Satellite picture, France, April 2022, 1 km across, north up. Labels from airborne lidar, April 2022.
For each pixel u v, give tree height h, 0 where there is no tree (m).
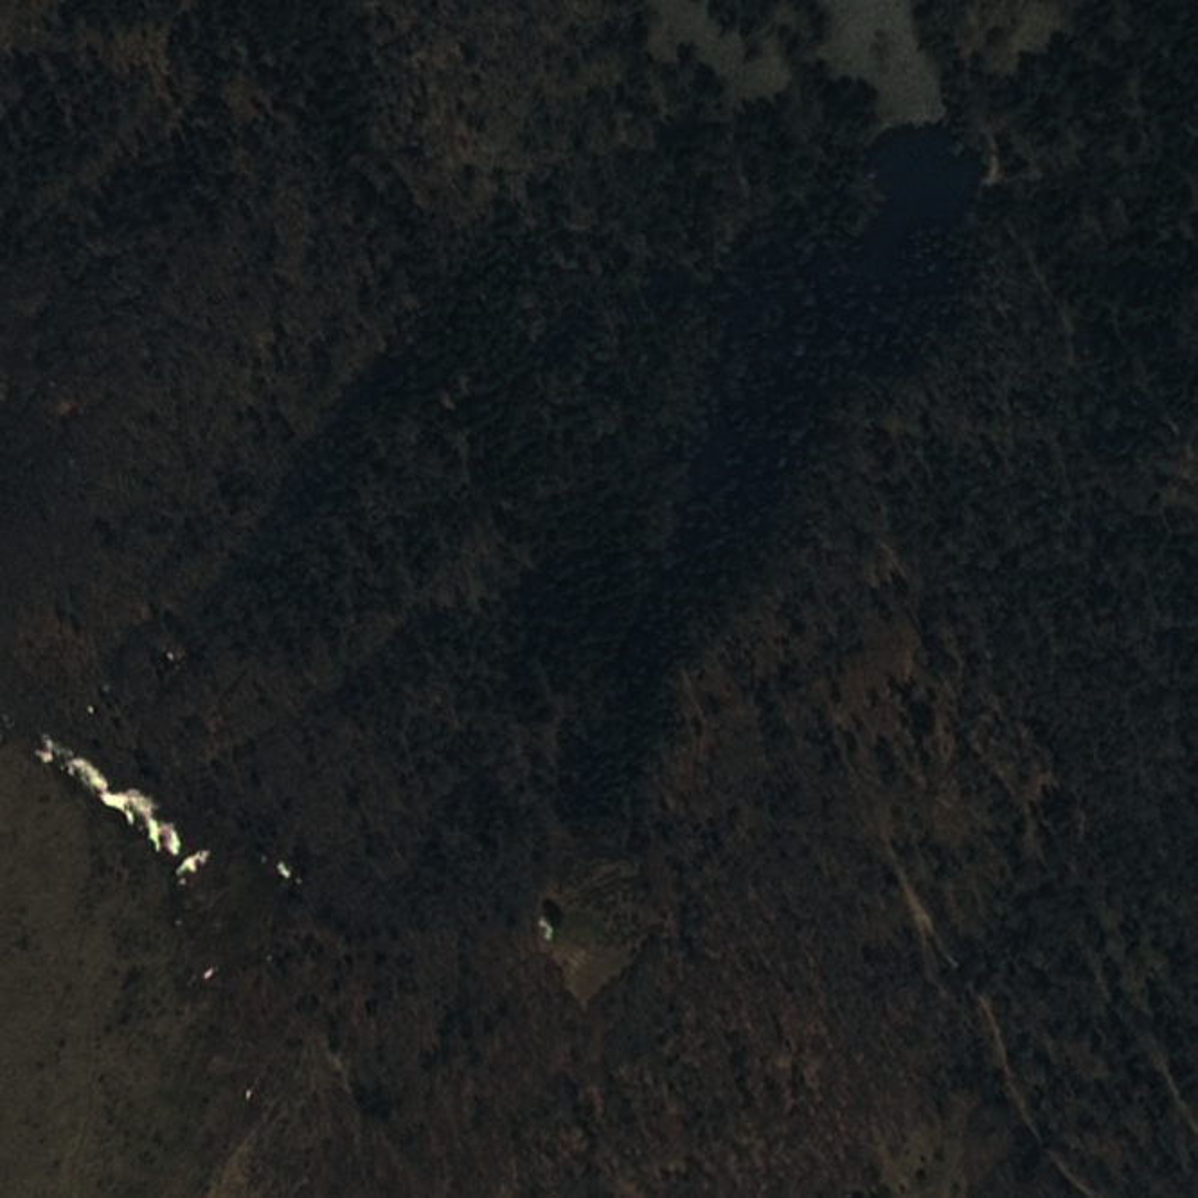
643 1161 27
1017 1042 31
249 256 23
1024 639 36
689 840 29
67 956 0
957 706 19
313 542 32
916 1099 20
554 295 45
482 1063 23
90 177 18
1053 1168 21
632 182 18
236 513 25
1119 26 28
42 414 15
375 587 30
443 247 31
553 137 23
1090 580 25
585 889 0
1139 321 24
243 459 34
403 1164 16
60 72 26
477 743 26
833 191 18
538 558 19
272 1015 10
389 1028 19
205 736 17
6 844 0
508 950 13
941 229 39
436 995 16
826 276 15
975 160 0
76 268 17
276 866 9
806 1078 25
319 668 21
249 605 21
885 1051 31
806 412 30
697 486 29
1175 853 25
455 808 18
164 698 13
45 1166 0
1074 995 37
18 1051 0
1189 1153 38
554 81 22
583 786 24
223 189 25
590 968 0
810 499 23
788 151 27
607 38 27
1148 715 38
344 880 16
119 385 18
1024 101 37
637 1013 25
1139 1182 16
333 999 11
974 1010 33
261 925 0
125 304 17
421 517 13
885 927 11
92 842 0
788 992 30
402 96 17
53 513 17
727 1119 26
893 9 0
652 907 6
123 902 0
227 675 22
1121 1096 15
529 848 27
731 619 28
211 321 25
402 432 20
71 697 6
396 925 15
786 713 27
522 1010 17
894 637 12
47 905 0
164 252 24
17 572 15
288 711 21
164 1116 0
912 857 36
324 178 23
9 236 15
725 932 31
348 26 22
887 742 18
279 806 15
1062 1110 28
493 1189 19
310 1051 7
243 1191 0
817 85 32
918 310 27
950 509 27
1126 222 17
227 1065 0
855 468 32
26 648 10
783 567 28
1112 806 29
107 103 30
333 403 21
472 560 22
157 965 0
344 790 23
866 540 21
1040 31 0
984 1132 22
